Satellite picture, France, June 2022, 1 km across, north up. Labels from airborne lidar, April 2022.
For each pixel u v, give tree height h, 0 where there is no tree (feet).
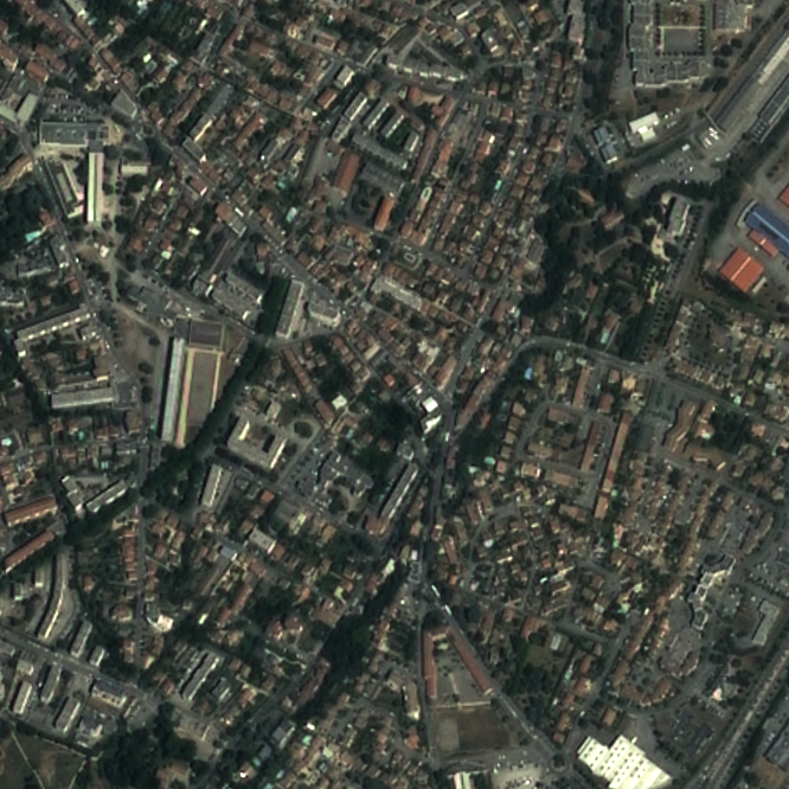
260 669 22
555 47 36
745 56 19
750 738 24
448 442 0
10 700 0
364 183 42
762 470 35
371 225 31
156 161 75
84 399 0
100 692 0
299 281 0
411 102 42
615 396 19
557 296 31
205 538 25
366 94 32
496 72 29
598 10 30
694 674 38
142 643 22
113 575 18
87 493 0
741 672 27
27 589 0
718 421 67
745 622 0
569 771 0
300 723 25
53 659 0
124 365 0
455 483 25
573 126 0
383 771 33
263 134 28
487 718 0
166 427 0
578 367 18
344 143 41
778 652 31
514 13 0
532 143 39
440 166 0
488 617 0
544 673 38
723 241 0
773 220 0
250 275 54
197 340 0
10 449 30
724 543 0
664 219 34
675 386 0
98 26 20
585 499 0
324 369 43
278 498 31
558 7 0
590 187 67
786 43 0
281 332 0
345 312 0
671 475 22
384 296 23
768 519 0
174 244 33
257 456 0
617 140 0
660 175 0
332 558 26
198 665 0
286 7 20
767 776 0
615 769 0
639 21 0
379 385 24
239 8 18
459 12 0
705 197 17
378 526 0
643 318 28
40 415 40
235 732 23
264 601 28
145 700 0
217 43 48
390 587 36
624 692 0
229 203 0
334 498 31
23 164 0
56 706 24
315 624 26
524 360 41
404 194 34
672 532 24
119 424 27
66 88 32
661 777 0
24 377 40
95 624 27
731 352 22
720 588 20
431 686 0
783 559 0
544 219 57
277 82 30
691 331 26
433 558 42
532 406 31
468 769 0
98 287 0
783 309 43
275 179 20
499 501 27
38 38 19
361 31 42
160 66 30
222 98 0
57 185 0
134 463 42
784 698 24
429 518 25
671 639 0
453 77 0
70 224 42
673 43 0
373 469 37
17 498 19
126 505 56
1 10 48
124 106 0
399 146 28
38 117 37
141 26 24
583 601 31
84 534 49
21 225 78
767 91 0
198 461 44
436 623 43
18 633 0
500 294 0
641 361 21
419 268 0
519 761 0
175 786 19
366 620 21
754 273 0
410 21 34
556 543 19
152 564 0
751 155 0
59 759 0
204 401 0
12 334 0
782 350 0
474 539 0
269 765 58
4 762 0
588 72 45
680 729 0
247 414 0
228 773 48
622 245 0
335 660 56
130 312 0
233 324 0
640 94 32
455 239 23
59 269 21
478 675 0
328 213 24
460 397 45
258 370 28
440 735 0
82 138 0
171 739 76
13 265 0
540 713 31
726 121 0
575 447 38
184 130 72
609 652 41
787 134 0
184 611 0
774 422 17
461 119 0
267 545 0
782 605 0
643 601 31
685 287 0
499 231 0
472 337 0
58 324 0
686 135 0
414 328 19
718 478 0
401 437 20
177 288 23
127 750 64
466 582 0
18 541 23
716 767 0
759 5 0
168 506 52
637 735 0
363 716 0
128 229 37
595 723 21
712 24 0
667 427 0
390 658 21
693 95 0
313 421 0
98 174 0
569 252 38
